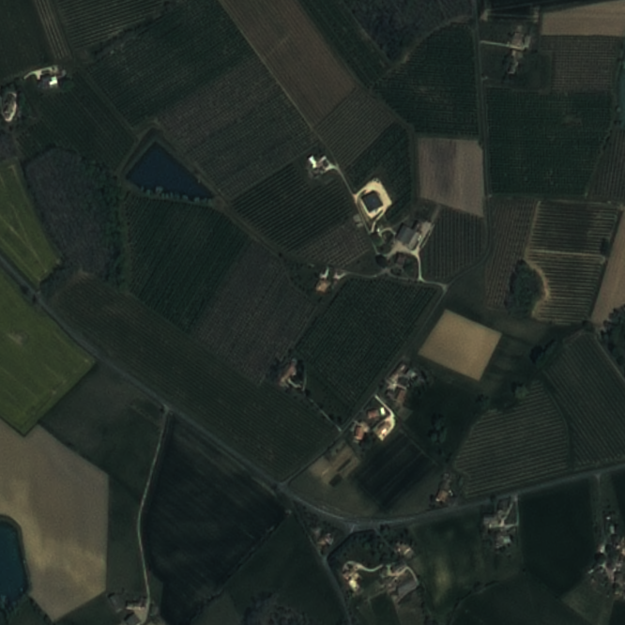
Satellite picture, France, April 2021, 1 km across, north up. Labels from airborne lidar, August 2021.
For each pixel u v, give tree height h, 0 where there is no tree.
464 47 6
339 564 10
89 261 20
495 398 0
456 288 0
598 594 0
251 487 0
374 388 0
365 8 16
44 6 0
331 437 0
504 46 0
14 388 0
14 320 0
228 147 6
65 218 19
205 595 0
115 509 0
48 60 0
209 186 0
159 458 0
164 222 7
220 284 6
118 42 13
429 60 6
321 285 0
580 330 0
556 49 6
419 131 6
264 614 17
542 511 0
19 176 0
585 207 0
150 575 0
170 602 0
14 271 0
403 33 16
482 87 0
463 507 0
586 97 6
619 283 0
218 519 0
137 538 0
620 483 0
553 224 0
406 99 7
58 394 0
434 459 0
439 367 0
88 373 0
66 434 0
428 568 0
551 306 0
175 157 0
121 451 0
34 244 0
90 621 0
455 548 0
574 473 0
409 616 0
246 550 0
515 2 0
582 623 0
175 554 0
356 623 13
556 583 0
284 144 7
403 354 0
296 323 6
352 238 5
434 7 20
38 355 0
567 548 0
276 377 13
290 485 0
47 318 0
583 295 0
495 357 0
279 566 0
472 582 0
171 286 7
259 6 0
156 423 0
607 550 9
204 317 5
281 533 0
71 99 5
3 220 0
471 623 0
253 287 6
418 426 0
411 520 0
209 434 0
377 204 0
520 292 20
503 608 0
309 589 0
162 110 6
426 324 0
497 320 0
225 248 6
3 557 0
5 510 0
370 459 0
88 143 6
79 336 0
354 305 6
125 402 0
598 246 0
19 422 0
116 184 19
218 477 0
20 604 13
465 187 0
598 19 0
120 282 17
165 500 0
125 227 15
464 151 0
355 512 0
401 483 0
